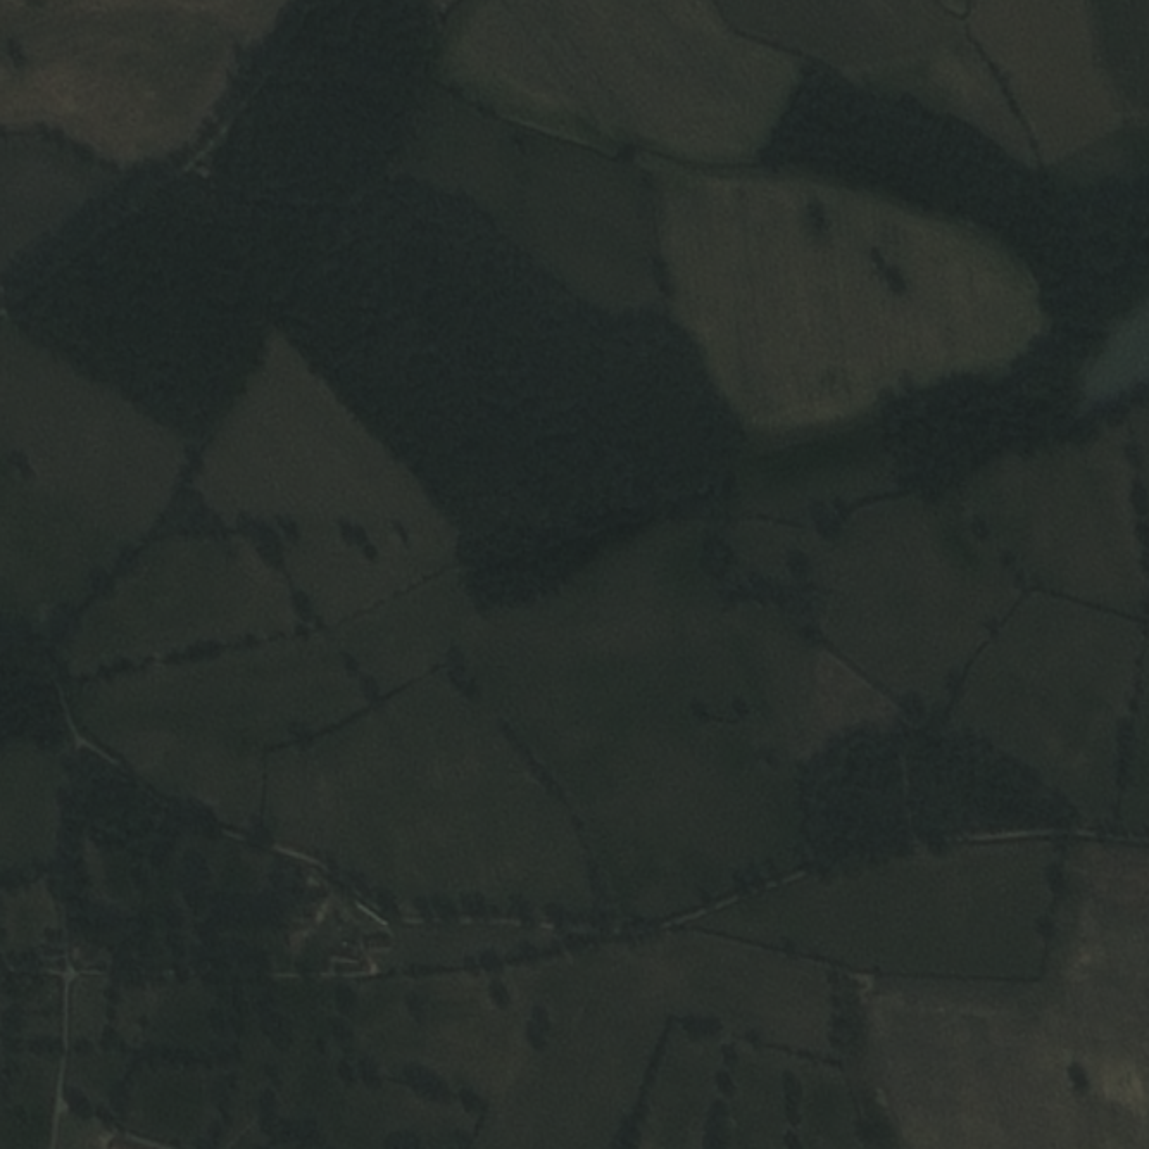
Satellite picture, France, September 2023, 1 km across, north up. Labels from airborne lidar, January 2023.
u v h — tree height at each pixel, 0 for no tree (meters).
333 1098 0
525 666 0
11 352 0
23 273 15
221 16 0
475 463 24
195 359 21
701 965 0
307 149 18
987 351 0
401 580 0
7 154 0
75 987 0
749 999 0
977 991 0
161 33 0
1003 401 9
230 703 0
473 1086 0
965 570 0
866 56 0
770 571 0
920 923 0
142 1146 0
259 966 17
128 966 16
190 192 18
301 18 9
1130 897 0
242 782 0
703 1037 11
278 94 20
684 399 23
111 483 0
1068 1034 0
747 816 0
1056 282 13
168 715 0
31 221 0
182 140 0
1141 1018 0
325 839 0
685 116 0
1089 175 0
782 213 0
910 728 18
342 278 21
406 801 0
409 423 23
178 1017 0
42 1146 0
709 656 0
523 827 0
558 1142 0
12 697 18
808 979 0
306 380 0
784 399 0
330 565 0
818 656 0
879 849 18
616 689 0
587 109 0
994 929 0
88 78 0
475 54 0
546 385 23
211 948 20
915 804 14
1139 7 0
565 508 23
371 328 23
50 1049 13
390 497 0
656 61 0
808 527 0
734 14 0
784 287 0
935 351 0
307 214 18
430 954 0
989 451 21
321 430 0
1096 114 0
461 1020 0
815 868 17
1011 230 16
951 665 0
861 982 0
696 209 0
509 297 20
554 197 0
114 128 0
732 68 0
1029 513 0
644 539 0
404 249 23
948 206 8
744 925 0
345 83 24
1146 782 0
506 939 0
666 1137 0
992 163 14
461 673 17
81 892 12
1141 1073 0
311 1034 0
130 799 12
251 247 22
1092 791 0
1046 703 0
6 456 0
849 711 0
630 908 0
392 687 0
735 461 14
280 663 0
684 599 0
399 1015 0
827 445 0
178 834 15
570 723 0
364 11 22
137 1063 16
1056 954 0
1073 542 0
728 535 14
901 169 15
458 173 0
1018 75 0
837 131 18
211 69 0
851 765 14
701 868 0
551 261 0
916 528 0
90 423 0
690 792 0
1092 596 0
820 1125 0
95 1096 0
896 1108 0
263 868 0
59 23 0
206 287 22
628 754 0
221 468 0
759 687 0
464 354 25
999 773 10
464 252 21
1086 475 0
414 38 23
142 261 21
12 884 15
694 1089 0
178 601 0
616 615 0
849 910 0
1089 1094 0
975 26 0
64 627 19
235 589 0
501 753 0
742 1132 0
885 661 0
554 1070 0
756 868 0
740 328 0
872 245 0
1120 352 0
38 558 0
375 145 19
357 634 0
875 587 0
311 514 0
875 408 0
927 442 8
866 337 0
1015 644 0
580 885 0
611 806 0
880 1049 0
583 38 0
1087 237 25
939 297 0
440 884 0
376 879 0
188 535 9
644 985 0
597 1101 0
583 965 0
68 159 0
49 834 0
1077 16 0
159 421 15
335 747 0
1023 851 0
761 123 0
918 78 0
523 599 16
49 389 0
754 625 0
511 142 0
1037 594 14
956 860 0
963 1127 0
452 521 19
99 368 20
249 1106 0
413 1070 0
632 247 0
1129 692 0
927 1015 0
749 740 0
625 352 21
